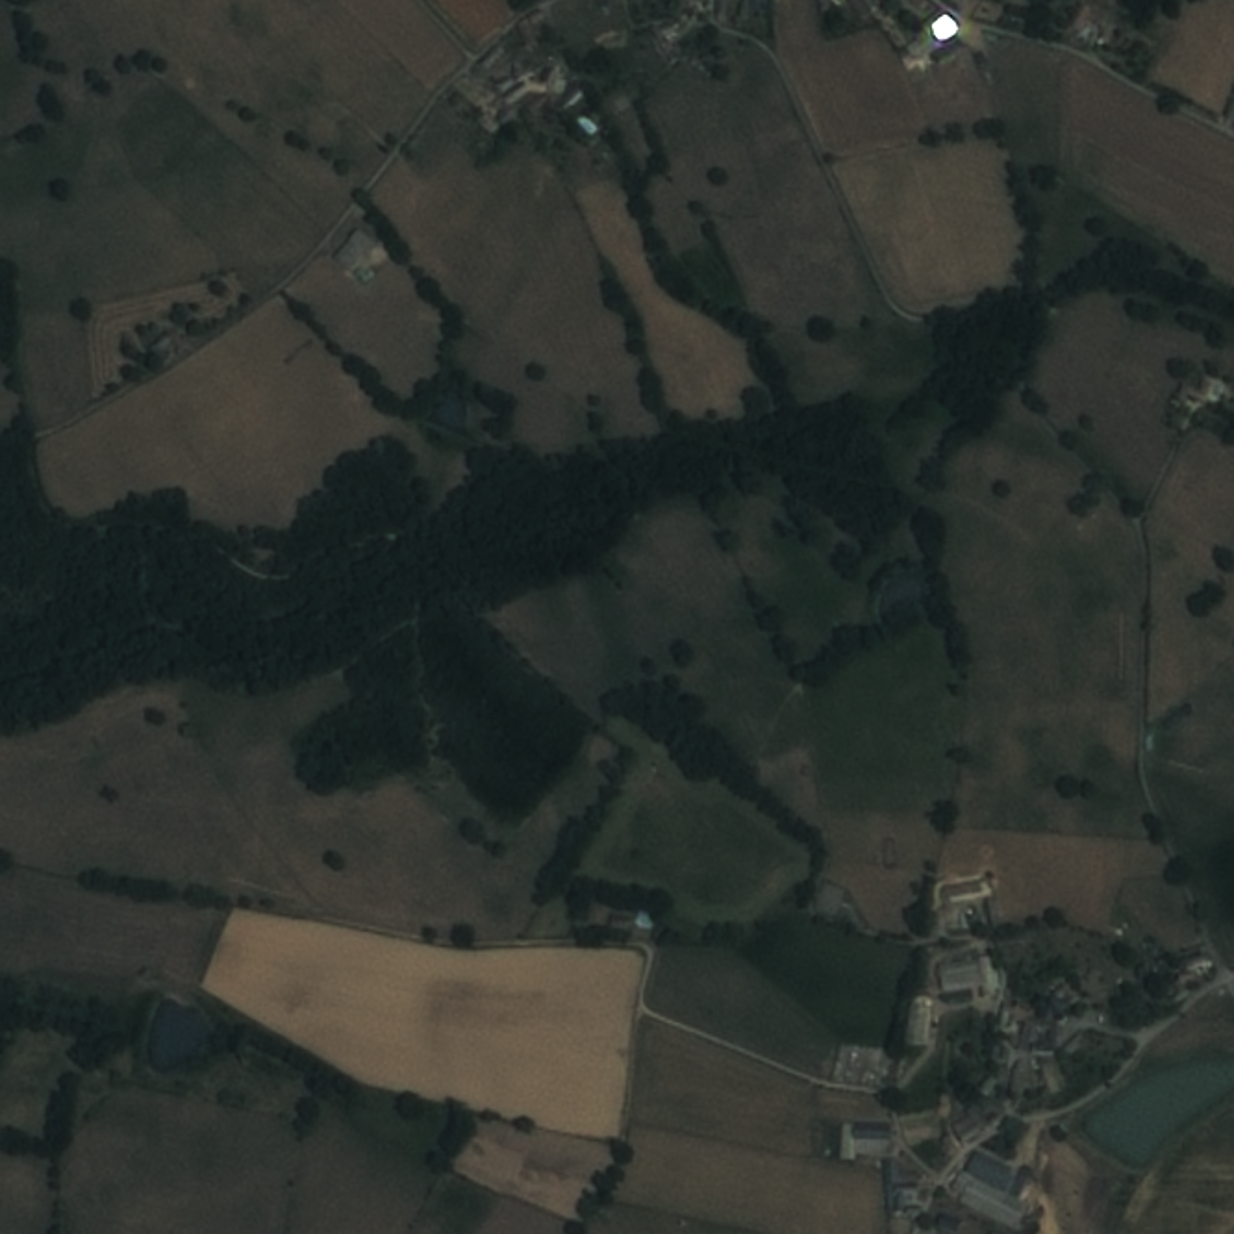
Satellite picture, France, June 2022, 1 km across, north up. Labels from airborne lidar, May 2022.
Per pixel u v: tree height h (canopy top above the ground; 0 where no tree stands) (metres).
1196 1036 0
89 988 0
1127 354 0
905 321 0
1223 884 0
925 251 0
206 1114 0
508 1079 0
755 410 15
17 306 13
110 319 0
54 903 0
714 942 14
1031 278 27
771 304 0
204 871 0
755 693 0
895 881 0
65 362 0
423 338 0
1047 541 0
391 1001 0
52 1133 17
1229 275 0
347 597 20
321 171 0
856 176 0
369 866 0
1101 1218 0
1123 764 0
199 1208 0
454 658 9
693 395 0
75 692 16
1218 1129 0
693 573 0
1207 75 0
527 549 31
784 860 0
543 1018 0
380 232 15
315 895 0
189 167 0
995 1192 0
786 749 0
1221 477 0
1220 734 0
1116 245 20
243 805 0
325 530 23
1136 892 0
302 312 13
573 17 0
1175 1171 0
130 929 0
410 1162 0
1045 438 0
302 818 0
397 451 19
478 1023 0
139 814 0
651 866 0
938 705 0
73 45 0
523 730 7
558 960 0
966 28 0
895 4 10
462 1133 22
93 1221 0
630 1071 0
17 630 16
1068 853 0
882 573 9
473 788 6
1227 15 0
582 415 0
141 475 0
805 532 30
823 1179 0
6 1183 0
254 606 12
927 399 8
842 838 0
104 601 20
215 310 0
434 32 0
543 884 15
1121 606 0
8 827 0
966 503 0
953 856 0
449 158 0
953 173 0
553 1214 0
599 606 0
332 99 0
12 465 15
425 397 20
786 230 0
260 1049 29
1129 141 0
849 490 13
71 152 0
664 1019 0
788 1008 0
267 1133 0
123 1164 0
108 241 0
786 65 0
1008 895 0
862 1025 0
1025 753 0
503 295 0
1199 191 0
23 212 0
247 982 0
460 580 13
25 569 12
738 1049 0
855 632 17
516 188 0
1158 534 0
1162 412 0
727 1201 0
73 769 0
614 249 0
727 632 0
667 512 0
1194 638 0
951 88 0
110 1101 0
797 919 0
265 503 0
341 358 8
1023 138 0
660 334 0
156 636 13
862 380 0
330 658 25
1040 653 0
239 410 0
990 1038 11
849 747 0
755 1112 0
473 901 0
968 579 0
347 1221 0
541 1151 0
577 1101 0
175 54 0
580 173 0
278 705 0
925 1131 0
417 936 0
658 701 18
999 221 0
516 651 11
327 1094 28
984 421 21
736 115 0
